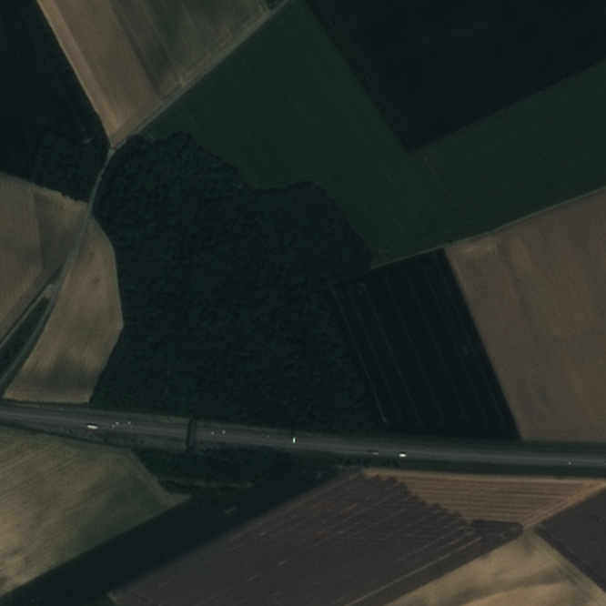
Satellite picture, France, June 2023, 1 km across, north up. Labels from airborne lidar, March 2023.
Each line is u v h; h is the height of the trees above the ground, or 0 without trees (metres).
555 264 0
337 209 16
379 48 0
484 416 0
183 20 0
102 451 0
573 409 0
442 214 0
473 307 0
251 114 0
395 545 0
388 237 0
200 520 0
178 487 6
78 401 0
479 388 0
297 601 0
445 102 0
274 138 0
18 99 0
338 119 0
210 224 16
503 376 0
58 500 0
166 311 21
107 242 0
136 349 8
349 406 17
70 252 0
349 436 0
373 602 0
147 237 20
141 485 0
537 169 0
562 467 0
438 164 0
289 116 0
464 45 0
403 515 0
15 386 0
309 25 0
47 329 0
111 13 0
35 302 0
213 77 0
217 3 0
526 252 0
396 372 0
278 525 0
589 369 0
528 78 0
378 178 0
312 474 0
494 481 0
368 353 0
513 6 0
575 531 0
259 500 0
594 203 0
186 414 12
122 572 0
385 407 0
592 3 0
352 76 0
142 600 0
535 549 0
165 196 20
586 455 0
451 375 0
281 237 22
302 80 0
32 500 0
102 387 9
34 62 0
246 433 0
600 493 0
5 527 0
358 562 0
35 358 0
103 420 0
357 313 0
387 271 0
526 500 0
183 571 0
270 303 9
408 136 0
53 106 0
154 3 0
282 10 0
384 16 0
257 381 11
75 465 0
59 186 10
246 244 21
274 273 18
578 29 0
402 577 0
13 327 0
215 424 0
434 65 0
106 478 0
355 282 0
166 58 0
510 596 0
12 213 0
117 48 0
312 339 24
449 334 0
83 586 0
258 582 0
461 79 0
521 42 0
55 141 20
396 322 0
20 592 0
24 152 0
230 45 0
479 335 0
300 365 18
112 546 0
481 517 0
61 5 0
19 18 0
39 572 0
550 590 0
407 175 0
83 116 0
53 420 0
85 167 21
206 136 0
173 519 0
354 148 0
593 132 0
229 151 0
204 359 15
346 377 24
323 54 0
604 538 0
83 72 0
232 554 0
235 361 19
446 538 0
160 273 19
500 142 0
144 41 0
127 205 9
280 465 8
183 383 15
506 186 0
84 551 0
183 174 13
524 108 0
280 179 0
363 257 18
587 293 0
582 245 0
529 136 0
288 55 0
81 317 0
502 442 0
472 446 0
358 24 0
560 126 0
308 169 0
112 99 0
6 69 0
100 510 0
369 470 0
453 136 0
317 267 23
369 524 0
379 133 0
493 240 0
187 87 0
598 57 0
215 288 16
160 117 0
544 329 0
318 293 18
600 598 0
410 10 0
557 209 0
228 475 9
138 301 16
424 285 0
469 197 0
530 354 0
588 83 0
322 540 0
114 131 0
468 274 0
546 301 0
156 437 0
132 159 23
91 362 0
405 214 0
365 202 0
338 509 0
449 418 0
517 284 0
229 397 16
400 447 0
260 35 0
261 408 19
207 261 23
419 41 0
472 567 0
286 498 0
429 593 0
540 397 0
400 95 0
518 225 0
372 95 0
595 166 0
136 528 0
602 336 0
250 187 14
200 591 0
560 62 0
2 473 0
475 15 0
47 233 0
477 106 0
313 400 16
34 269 0
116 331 0
